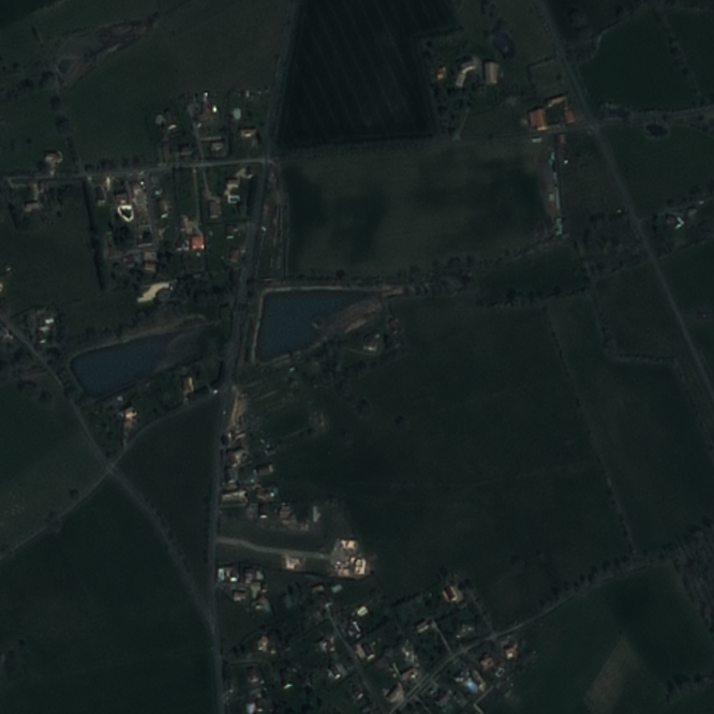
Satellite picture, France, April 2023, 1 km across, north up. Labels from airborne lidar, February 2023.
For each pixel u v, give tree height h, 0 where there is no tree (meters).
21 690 0
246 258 0
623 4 0
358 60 0
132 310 0
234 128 9
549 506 0
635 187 0
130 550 0
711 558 23
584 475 0
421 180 0
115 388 0
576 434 0
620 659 0
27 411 0
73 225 0
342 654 0
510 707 0
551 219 0
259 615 0
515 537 0
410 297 15
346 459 0
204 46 0
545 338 0
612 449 0
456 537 0
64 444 0
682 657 0
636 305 0
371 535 0
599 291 0
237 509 0
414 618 0
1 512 0
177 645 0
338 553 0
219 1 0
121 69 0
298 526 0
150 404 0
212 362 0
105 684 0
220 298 21
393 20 0
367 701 7
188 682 0
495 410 0
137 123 0
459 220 0
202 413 0
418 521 0
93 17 0
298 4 15
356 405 14
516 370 0
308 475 0
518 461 0
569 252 0
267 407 0
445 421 0
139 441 0
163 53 0
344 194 0
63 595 0
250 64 0
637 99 0
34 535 0
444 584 7
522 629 0
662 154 0
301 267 0
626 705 0
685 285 0
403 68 0
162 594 0
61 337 11
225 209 0
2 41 0
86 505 0
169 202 0
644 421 0
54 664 0
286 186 0
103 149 0
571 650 0
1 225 0
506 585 0
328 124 0
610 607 0
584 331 0
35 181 11
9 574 0
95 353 0
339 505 7
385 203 0
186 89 0
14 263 0
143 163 13
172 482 0
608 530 0
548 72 0
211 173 11
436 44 8
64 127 18
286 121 0
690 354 0
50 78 15
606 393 0
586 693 0
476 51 0
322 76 0
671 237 0
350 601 0
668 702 7
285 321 0
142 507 0
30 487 0
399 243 0
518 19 0
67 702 0
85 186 8
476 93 9
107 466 0
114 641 0
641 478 0
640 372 0
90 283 0
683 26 0
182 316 14
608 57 0
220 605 0
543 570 0
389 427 0
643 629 0
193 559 0
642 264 12
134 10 0
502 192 0
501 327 0
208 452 0
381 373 0
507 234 0
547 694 0
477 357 0
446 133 9
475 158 0
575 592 9
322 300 0
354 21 0
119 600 0
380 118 0
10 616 0
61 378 17
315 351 0
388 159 0
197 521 0
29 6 0
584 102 0
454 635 7
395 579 0
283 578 0
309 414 0
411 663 0
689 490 0
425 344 0
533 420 0
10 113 0
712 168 0
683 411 0
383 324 0
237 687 0
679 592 0
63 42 0
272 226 0
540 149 0
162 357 0
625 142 0
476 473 0
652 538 0
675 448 0
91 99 0
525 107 0
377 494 0
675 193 0
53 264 0
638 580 0
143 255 8
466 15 0
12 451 0
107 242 0
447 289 18
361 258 0
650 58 0
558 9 0
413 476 0
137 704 0
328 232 0
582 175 0
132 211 0
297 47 0
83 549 0
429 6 0
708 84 0
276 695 0
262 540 0
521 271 0
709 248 0
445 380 0
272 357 0
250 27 0
